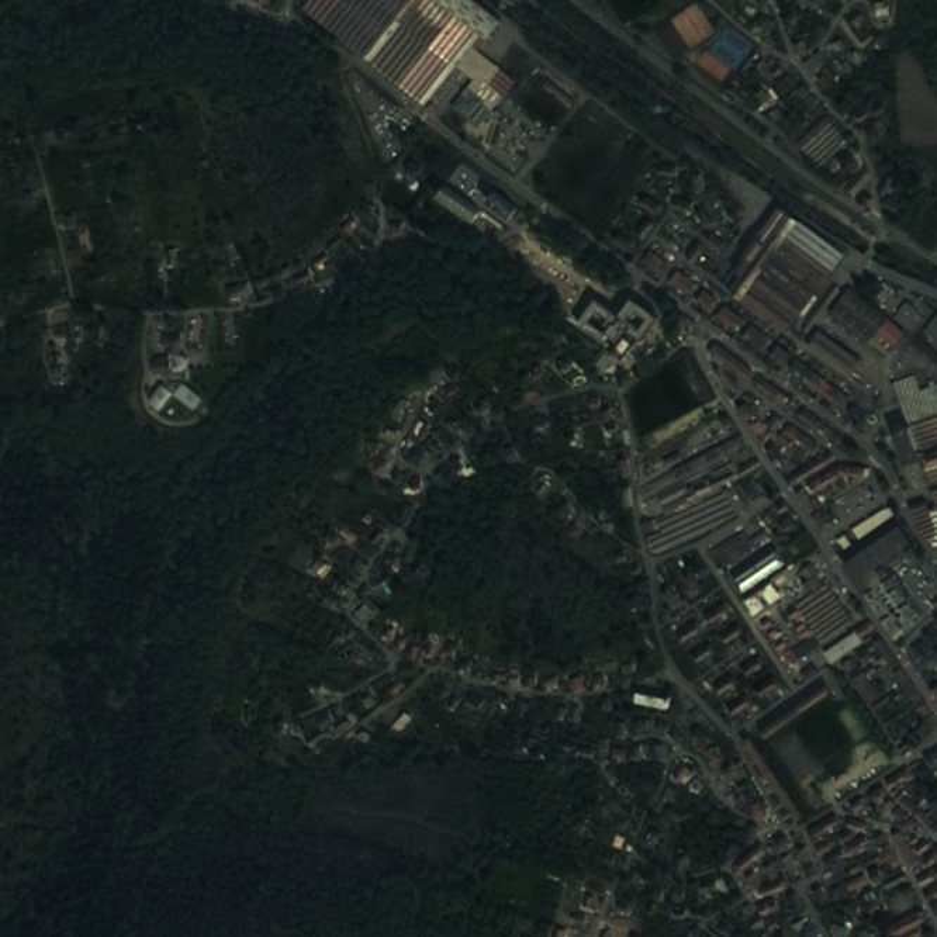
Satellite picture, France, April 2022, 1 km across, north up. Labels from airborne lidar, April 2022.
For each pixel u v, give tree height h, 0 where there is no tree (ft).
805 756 0
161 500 95
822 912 35
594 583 67
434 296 80
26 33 79
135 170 36
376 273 64
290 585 53
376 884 60
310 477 24
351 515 0
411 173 0
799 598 0
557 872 60
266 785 78
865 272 0
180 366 0
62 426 37
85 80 54
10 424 91
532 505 19
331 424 89
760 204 0
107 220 25
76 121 35
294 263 31
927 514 0
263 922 77
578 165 0
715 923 0
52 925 91
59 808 63
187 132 0
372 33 0
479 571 49
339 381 96
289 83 66
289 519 49
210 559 65
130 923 84
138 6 46
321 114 67
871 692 0
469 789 36
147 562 69
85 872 112
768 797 0
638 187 0
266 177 53
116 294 0
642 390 0
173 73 41
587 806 46
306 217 76
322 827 33
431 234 78
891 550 0
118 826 82
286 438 79
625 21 0
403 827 39
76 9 0
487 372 0
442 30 0
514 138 0
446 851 44
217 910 83
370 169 0
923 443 0
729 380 51
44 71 79
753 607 0
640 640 30
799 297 0
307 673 46
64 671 69
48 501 124
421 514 31
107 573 91
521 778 30
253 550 44
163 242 0
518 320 82
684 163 37
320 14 0
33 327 51
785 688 0
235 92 25
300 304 59
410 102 0
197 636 40
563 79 0
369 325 93
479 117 0
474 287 59
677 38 0
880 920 69
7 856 58
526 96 77
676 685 0
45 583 81
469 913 66
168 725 76
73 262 0
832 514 19
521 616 40
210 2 71
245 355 0
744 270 0
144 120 45
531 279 83
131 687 80
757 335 0
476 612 27
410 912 97
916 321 0
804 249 0
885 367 0
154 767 70
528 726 45
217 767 83
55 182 0
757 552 0
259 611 0
